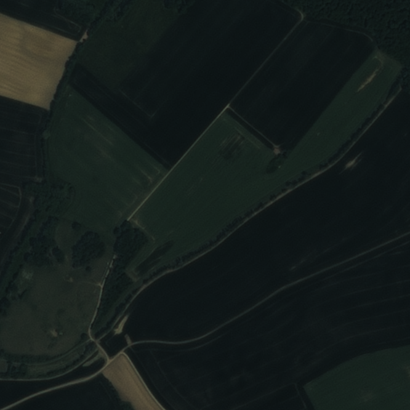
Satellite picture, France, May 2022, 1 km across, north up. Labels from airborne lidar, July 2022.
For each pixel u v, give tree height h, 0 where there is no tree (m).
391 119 0
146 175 0
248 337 0
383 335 0
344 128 0
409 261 0
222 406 0
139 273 0
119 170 0
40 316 0
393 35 28
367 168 0
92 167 0
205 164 0
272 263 0
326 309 0
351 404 0
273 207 0
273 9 0
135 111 0
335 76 0
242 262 0
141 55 0
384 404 0
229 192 0
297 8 16
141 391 0
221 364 0
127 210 0
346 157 0
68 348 0
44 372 0
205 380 0
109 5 20
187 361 0
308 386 0
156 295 0
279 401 0
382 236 0
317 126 0
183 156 0
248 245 0
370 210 0
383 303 0
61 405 0
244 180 0
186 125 0
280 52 0
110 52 0
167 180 0
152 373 0
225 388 0
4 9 0
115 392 15
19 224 0
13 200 0
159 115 0
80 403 0
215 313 0
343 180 0
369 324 0
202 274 0
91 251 19
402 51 24
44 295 0
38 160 0
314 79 0
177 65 0
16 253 14
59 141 0
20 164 0
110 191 0
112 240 0
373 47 0
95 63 0
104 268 0
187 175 0
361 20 28
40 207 23
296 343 0
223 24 0
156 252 0
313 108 0
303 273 0
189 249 0
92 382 0
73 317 0
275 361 0
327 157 0
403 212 0
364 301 0
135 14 0
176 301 0
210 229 0
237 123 0
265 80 0
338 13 25
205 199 0
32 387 0
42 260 13
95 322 6
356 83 0
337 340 0
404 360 0
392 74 0
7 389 0
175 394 0
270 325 0
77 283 0
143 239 17
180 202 0
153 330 0
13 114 0
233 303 0
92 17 25
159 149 0
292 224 0
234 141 0
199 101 0
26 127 0
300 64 0
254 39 0
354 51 0
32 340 0
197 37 0
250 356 0
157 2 0
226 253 0
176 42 0
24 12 0
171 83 0
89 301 0
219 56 0
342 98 0
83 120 0
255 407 0
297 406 0
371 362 0
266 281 0
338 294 0
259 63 0
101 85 0
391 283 0
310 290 0
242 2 0
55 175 0
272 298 0
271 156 0
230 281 0
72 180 0
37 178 0
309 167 0
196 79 0
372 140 0
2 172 0
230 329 0
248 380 0
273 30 0
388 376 0
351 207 0
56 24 0
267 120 0
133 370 0
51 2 0
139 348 0
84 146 0
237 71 0
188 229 0
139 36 0
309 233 0
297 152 0
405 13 31
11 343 0
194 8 0
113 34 0
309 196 0
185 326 0
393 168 0
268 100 0
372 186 0
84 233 0
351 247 0
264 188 0
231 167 0
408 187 0
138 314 0
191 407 0
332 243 0
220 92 0
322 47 0
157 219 0
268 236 0
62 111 0
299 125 0
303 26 0
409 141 0
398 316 0
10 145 0
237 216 0
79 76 0
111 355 0
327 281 0
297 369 0
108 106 0
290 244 0
